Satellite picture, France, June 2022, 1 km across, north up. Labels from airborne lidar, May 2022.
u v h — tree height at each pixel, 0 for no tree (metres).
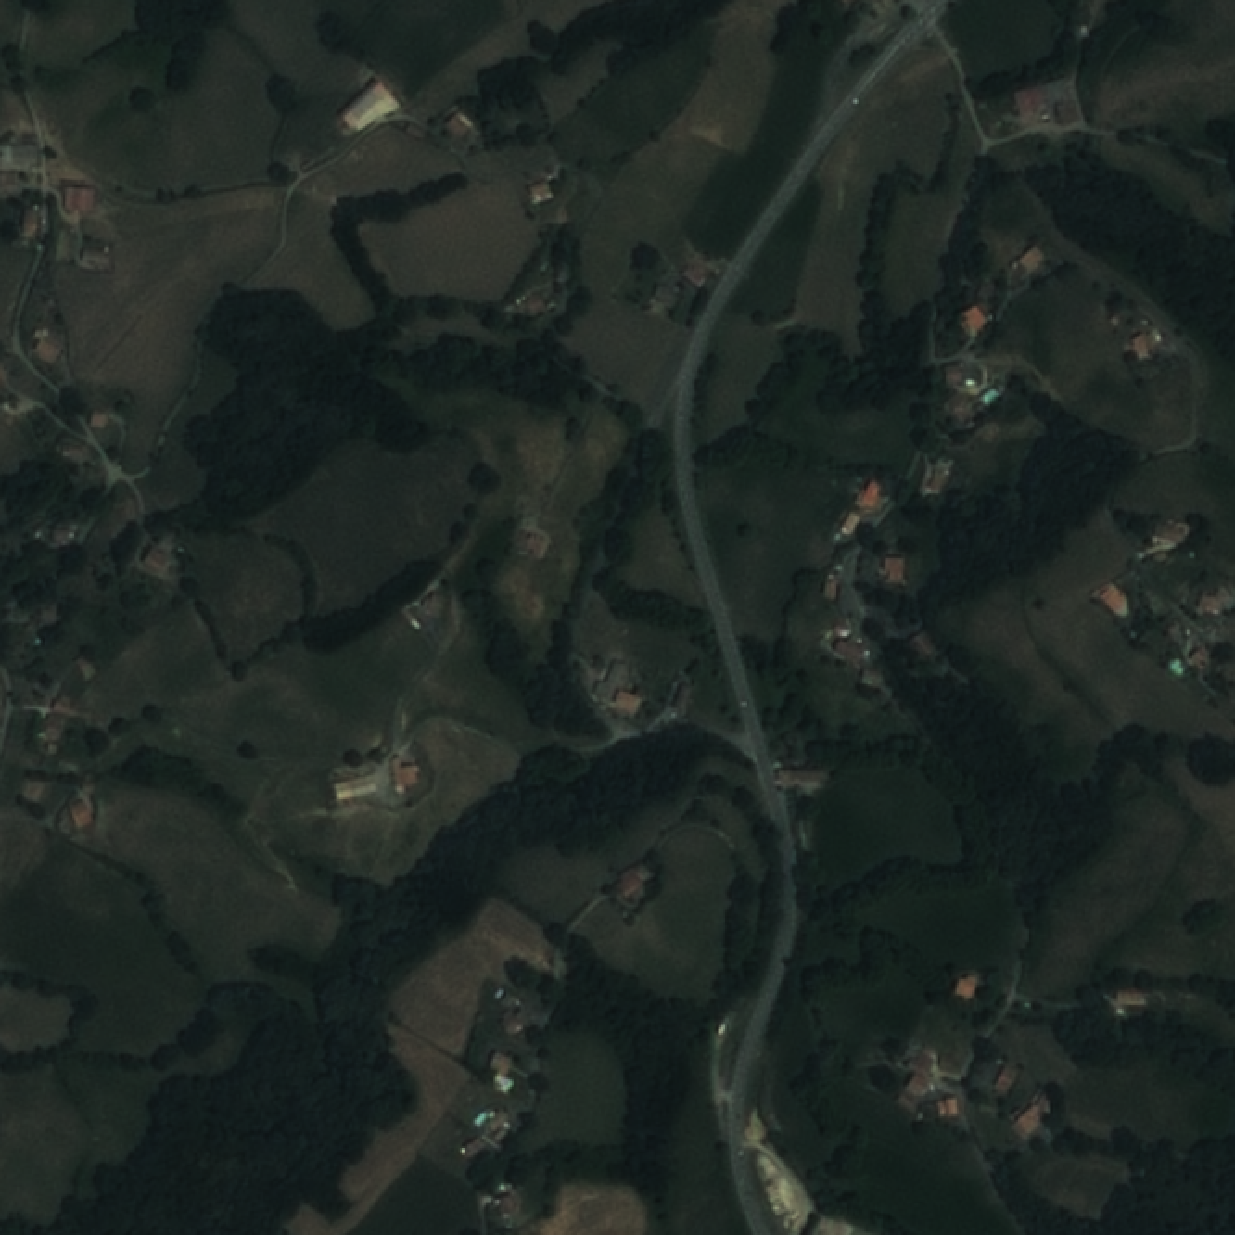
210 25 16
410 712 0
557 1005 7
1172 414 0
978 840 23
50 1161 0
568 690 27
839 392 9
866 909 16
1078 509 18
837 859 0
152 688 0
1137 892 0
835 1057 18
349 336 14
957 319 13
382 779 0
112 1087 0
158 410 0
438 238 0
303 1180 28
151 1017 0
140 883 9
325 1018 19
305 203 0
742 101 0
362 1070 27
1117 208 27
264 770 0
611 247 0
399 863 0
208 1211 25
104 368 0
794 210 0
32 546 10
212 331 15
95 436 0
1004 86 10
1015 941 0
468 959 0
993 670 0
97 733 14
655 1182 19
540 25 11
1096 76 0
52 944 0
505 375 29
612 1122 0
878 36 0
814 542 0
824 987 18
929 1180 0
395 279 0
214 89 0
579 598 9
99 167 0
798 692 13
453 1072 0
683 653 0
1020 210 0
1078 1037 25
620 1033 15
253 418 30
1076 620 0
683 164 0
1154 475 0
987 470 0
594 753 0
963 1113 0
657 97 0
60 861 0
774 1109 0
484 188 0
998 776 15
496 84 19
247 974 0
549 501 0
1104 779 17
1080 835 12
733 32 0
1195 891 0
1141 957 0
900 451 0
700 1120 0
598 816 34
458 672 0
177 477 0
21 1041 0
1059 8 15
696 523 0
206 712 0
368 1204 0
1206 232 15
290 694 0
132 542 13
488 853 22
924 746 15
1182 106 0
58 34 0
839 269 0
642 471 16
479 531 0
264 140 0
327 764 0
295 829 0
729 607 0
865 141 0
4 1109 0
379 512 0
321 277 0
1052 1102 11
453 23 0
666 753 27
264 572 0
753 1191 0
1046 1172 0
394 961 10
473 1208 0
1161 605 0
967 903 0
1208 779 19
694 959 0
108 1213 22
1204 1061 14
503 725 0
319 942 0
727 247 0
